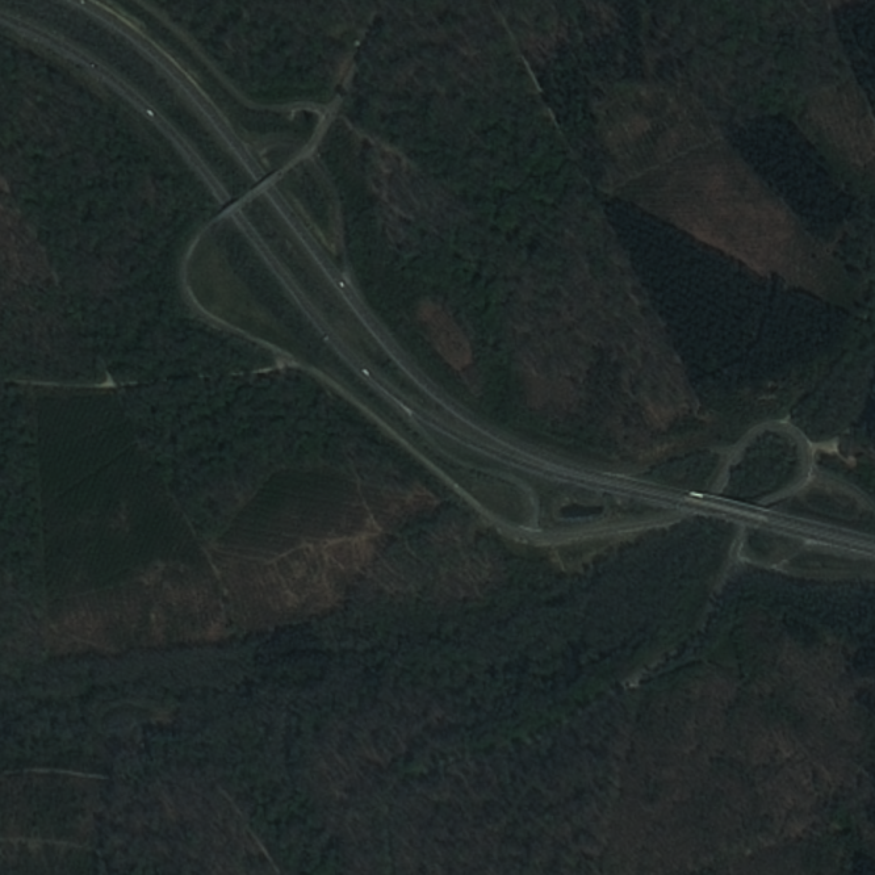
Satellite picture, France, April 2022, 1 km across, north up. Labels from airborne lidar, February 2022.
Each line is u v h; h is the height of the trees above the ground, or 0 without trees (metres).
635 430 11
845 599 19
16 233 21
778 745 15
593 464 0
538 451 0
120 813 12
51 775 0
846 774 14
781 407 11
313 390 11
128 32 0
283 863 30
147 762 28
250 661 26
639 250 20
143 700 26
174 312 12
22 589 26
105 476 6
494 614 23
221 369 10
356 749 22
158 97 8
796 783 19
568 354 27
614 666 9
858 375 22
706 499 0
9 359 17
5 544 27
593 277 29
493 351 24
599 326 26
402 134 29
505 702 14
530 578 19
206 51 9
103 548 5
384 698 25
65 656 7
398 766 12
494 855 29
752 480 25
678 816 11
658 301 17
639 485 0
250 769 22
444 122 29
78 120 34
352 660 24
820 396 17
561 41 20
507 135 26
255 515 6
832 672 9
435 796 27
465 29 30
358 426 23
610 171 23
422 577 29
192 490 28
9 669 27
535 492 0
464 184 29
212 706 25
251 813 31
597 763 27
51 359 18
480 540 14
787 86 27
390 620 24
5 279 21
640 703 8
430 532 27
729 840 14
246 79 31
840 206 19
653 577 21
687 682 13
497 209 27
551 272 29
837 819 13
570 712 21
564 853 26
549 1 28
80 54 0
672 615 21
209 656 25
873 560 0
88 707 24
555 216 28
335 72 26
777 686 12
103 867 27
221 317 0
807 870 13
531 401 11
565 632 23
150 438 22
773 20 14
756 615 14
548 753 27
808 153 20
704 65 24
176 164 11
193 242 0
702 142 0
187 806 28
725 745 12
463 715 24
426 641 23
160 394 29
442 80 29
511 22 18
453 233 29
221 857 28
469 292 28
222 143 0
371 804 25
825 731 11
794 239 0
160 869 19
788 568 0
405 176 25
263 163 0
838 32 22
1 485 29
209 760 26
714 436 16
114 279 25
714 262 18
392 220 28
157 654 23
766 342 27
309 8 33
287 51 24
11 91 31
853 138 9
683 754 9
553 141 24
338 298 0
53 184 27
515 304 28
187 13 28
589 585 18
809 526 0
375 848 27
